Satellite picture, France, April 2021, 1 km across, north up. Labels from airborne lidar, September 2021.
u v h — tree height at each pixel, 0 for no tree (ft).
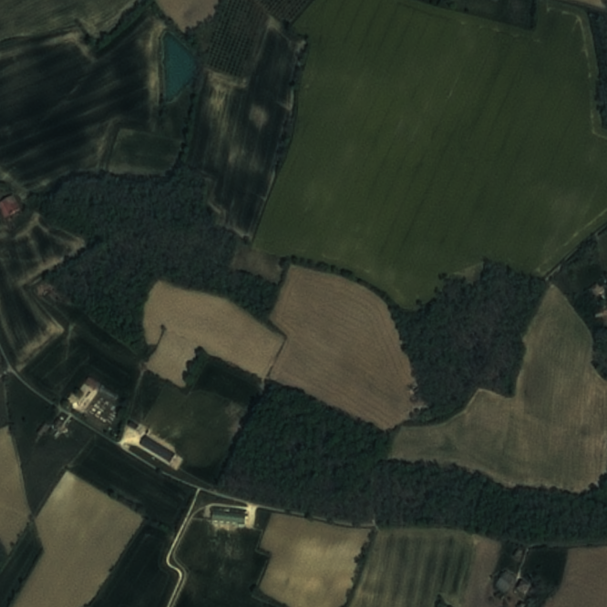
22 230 0
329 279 0
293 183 0
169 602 0
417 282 0
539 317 0
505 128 0
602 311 37
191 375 42
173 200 85
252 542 0
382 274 0
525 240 0
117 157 0
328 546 0
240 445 57
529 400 0
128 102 0
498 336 47
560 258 0
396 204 0
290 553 0
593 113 0
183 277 68
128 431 0
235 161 0
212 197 0
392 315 31
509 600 26
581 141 0
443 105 0
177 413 0
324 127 0
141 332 47
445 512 65
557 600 0
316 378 0
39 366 0
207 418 0
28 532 0
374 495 60
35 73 0
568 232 0
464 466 0
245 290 48
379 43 0
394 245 0
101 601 0
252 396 0
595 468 0
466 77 0
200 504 0
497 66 0
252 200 0
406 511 44
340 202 0
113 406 0
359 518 30
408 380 0
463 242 0
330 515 39
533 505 62
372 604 0
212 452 0
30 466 0
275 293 55
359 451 85
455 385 51
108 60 0
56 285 60
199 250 62
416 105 0
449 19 0
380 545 0
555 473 0
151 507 0
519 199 0
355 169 0
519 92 0
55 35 0
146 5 44
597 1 0
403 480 67
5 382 40
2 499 0
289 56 0
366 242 0
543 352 0
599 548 0
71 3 0
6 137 0
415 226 0
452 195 0
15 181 0
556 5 0
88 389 0
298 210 0
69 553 0
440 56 0
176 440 0
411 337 55
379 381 0
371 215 0
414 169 0
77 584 0
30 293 0
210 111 0
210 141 0
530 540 51
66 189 71
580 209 0
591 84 0
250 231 0
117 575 0
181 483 21
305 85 0
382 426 0
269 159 0
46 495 0
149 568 0
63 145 0
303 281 0
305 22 0
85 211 62
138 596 0
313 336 0
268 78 0
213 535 0
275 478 64
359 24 0
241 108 0
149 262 60
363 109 0
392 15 0
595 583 0
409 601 0
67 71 0
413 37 0
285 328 0
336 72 0
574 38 0
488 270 54
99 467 0
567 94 0
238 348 0
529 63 0
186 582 0
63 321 0
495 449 0
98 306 72
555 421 0
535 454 0
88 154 0
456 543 0
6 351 0
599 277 0
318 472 69
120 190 73
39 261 0
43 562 0
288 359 0
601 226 0
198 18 0
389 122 0
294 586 0
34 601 0
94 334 0
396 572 0
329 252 0
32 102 0
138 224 52
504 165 0
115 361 0
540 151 0
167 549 0
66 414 0
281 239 0
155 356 0
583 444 0
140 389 0
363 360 0
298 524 0
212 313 0
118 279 66
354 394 0
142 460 0
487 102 0
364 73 0
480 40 0
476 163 0
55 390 0
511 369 51
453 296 37
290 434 80
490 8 0
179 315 0
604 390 0
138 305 74
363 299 0
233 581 0
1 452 0
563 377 0
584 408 0
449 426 0
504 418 0
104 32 0
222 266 56
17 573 0
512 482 0
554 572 0
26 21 0
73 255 0
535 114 0
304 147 0
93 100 0
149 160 0
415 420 48
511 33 0
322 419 82
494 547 0
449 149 0
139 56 0
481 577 0
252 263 0
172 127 0
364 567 52
